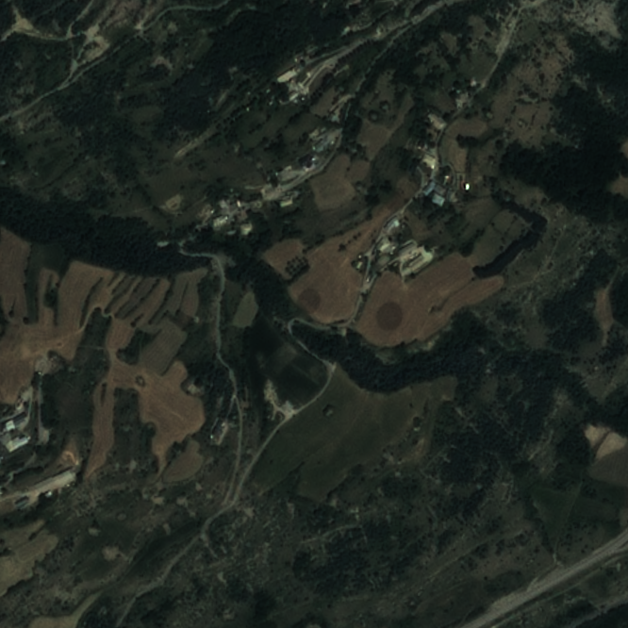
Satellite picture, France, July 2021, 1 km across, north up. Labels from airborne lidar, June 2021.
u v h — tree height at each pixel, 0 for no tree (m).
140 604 7
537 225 15
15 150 11
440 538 5
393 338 0
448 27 13
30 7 8
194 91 10
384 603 0
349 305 0
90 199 8
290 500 8
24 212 14
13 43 7
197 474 0
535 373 11
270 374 0
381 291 0
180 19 0
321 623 6
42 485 0
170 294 9
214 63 17
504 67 9
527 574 0
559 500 0
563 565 0
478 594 0
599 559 0
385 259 0
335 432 0
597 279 8
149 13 0
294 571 8
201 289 6
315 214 0
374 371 12
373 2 8
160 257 20
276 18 13
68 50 7
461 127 0
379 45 8
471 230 0
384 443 0
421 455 0
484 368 8
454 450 7
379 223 0
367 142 0
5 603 0
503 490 0
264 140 8
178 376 0
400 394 0
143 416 0
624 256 0
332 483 0
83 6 6
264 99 10
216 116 7
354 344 12
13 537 0
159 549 0
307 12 11
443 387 0
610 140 13
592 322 10
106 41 0
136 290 6
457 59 9
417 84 6
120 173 8
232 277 10
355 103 11
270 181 7
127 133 6
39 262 0
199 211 0
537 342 0
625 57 17
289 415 0
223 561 0
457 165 0
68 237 18
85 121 10
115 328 0
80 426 0
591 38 7
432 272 0
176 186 0
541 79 7
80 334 0
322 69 0
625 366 0
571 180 13
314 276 0
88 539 0
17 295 0
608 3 6
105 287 0
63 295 0
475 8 7
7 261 0
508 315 7
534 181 9
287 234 7
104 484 0
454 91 10
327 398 0
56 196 12
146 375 0
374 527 6
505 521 0
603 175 17
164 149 0
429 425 0
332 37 16
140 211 0
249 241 5
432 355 9
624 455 0
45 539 0
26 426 0
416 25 7
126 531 0
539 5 0
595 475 0
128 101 7
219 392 7
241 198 12
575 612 5
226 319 7
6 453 0
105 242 15
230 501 0
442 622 0
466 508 7
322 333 9
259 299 7
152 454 0
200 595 10
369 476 0
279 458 0
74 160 8
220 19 16
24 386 0
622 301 13
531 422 10
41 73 8
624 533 0
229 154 8
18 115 0
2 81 7
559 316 7
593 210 11
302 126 0
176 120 13
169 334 0
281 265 0
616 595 0
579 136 7
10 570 0
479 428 6
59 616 0
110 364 0
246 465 0
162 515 0
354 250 0
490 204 0
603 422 9
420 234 0
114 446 0
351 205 0
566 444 11
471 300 0
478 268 14
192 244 9
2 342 0
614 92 7
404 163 7
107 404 0
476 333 19
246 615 0
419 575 0
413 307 0
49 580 0
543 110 0
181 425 0
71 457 0
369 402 0
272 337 0
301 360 0
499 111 0
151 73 6
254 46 14
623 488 0
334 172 0
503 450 7
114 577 0
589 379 0
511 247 13
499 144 11
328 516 9
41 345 0
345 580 7
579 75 6
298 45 9
